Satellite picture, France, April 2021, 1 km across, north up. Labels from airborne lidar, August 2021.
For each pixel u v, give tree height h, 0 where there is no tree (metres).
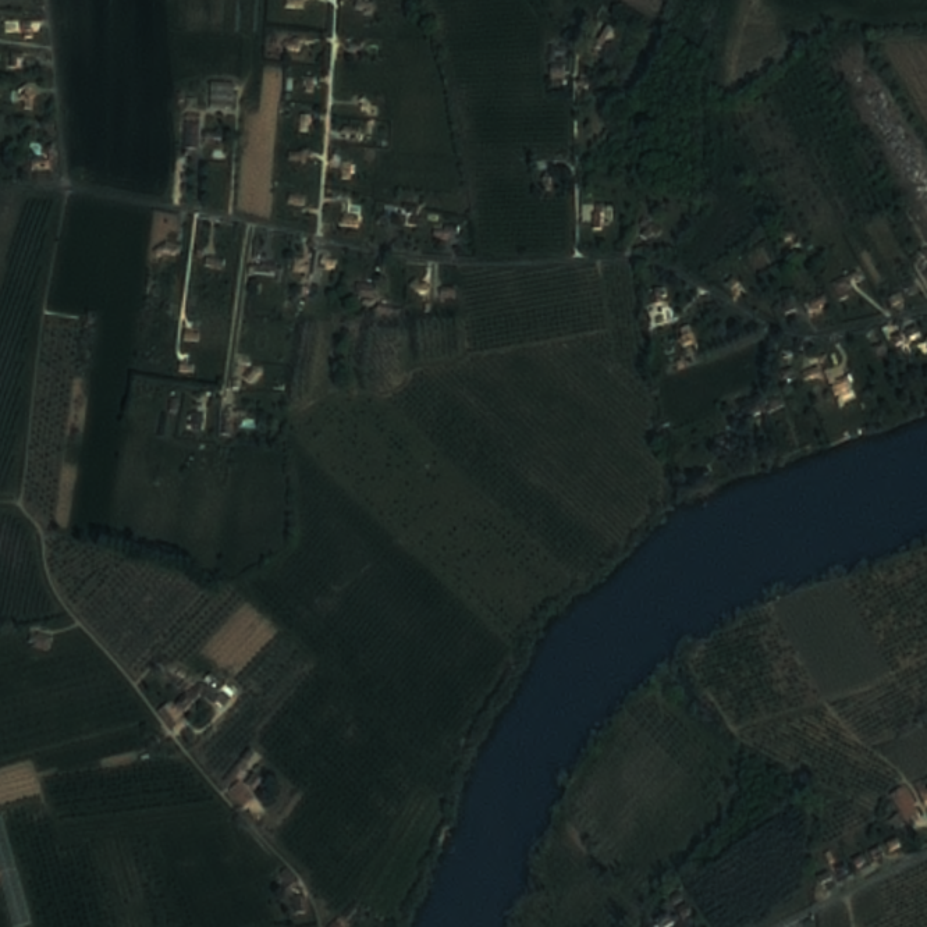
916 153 0
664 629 0
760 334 20
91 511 0
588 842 12
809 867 15
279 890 14
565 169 12
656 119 22
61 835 0
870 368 0
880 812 8
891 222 8
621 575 0
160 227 0
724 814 12
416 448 0
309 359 23
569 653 0
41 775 0
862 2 0
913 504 0
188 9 0
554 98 7
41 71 13
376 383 28
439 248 15
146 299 5
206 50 0
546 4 7
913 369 11
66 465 0
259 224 0
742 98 18
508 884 0
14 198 0
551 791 0
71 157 0
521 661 14
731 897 14
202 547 0
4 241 0
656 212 16
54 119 9
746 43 0
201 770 0
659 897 9
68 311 0
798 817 18
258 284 7
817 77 7
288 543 14
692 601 0
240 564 0
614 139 13
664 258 13
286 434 8
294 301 6
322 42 10
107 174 0
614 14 11
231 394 0
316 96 0
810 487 0
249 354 0
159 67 0
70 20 0
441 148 0
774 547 0
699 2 8
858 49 0
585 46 26
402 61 0
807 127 8
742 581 0
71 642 0
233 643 0
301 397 26
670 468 9
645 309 10
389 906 0
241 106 6
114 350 0
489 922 0
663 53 22
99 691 6
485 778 0
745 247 14
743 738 5
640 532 9
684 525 0
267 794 15
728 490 0
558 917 16
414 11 18
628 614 0
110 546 30
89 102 0
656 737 15
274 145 0
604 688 0
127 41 0
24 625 8
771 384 17
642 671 0
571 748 0
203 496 0
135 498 0
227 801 0
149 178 0
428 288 0
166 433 0
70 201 0
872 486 0
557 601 10
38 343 0
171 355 0
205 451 0
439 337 27
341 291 13
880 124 0
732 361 0
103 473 0
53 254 0
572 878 14
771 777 14
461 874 0
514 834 0
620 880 13
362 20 0
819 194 8
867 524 0
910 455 0
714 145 6
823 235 0
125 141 0
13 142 11
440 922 0
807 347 7
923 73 0
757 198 9
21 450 0
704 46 8
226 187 7
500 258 0
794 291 6
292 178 0
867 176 7
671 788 13
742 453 22
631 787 15
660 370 6
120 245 0
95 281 0
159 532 0
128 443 0
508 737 0
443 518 0
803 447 8
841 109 10
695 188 20
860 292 0
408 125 0
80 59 0
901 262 10
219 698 0
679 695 18
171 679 10
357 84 0
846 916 0
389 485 0
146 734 13
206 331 0
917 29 7
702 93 18
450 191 0
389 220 9
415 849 0
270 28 6
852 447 0
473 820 0
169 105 0
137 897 0
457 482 0
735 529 0
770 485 0
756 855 13
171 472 0
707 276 7
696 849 13
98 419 0
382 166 0
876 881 0
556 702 0
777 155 8
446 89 7
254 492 0
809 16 0
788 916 0
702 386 0
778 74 18
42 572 0
